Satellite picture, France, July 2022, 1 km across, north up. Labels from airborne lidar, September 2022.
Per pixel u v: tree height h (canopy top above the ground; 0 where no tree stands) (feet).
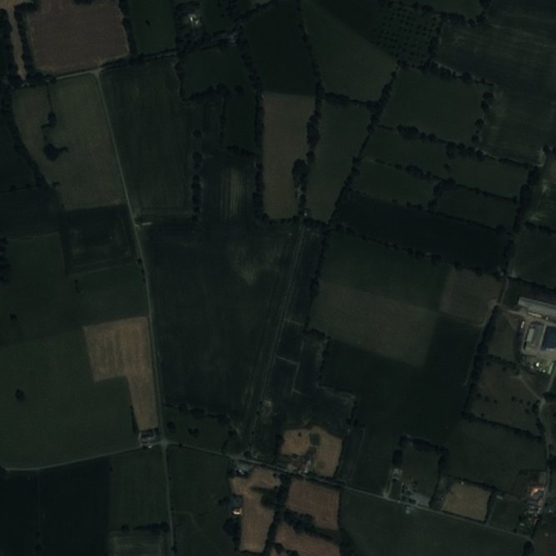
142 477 0
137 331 0
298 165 62
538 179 44
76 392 0
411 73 0
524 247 0
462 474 0
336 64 0
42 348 0
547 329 0
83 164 0
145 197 0
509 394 0
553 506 0
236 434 41
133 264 0
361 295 0
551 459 25
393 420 0
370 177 0
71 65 0
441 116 0
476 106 0
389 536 0
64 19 0
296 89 0
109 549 0
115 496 0
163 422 0
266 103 0
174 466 0
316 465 0
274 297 0
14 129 42
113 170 0
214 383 0
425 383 0
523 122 0
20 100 0
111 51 0
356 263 0
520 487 0
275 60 0
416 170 52
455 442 0
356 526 0
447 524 0
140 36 0
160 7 0
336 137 0
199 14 0
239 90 56
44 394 0
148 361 0
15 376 0
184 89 27
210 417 27
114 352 0
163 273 0
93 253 0
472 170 0
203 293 0
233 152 46
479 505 0
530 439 44
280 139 0
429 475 0
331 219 19
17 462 0
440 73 39
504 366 24
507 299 0
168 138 0
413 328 0
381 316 0
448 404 0
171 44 0
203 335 0
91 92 0
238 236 0
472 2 0
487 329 37
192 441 0
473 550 0
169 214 0
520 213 52
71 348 0
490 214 0
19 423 0
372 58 0
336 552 0
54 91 0
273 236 0
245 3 0
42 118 0
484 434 0
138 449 0
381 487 0
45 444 0
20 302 0
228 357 0
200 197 40
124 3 56
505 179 0
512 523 0
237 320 0
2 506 0
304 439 0
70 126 0
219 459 0
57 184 20
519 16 0
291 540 0
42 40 0
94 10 0
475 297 0
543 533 0
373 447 0
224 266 0
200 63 0
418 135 59
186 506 0
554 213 0
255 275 0
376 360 0
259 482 0
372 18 0
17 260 0
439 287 0
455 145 47
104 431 0
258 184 47
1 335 0
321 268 28
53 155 69
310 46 38
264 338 0
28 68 50
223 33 24
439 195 52
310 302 20
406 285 0
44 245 0
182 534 0
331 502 0
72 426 0
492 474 0
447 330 0
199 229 0
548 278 0
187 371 0
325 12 0
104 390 0
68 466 0
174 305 0
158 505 0
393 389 0
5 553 0
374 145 0
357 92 0
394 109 0
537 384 0
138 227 0
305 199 49
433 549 0
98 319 0
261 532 0
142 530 29
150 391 0
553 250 0
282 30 0
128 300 0
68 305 0
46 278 0
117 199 0
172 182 0
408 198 0
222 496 0
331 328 0
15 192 49
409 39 19
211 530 0
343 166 0
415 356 0
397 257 0
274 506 21
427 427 0
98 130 0
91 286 0
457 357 0
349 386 0
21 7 47
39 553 37
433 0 0
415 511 0
